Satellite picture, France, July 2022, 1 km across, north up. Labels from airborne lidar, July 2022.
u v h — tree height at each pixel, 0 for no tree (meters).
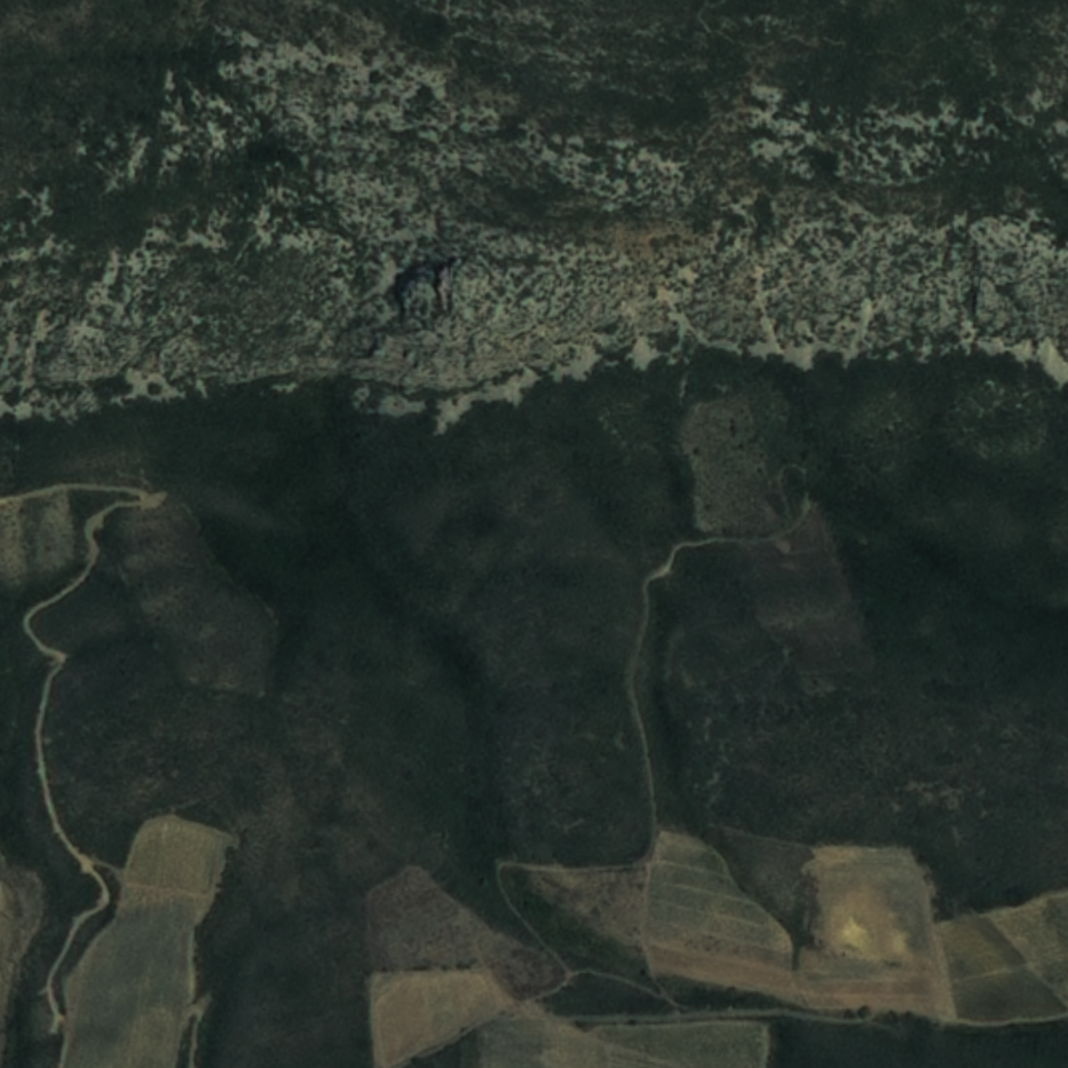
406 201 0
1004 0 0
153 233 0
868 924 0
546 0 0
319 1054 0
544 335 0
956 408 6
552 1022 0
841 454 7
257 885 0
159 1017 0
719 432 0
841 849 0
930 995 0
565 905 0
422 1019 0
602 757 0
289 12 0
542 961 0
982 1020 0
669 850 0
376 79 6
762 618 0
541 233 0
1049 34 0
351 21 0
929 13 0
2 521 0
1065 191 7
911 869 0
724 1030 0
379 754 5
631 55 0
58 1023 0
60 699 0
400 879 0
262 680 0
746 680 0
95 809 0
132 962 0
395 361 0
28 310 6
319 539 6
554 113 0
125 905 0
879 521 7
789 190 0
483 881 8
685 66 0
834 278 0
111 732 0
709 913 0
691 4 0
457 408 0
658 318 0
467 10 0
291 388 0
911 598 10
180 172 6
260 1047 0
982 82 0
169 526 0
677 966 0
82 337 0
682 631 0
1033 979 0
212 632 0
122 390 7
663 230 0
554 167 0
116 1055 0
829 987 0
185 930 0
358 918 0
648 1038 0
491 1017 0
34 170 0
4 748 7
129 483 0
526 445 0
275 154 8
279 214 8
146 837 0
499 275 0
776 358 5
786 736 0
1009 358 8
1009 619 6
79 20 0
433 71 0
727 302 0
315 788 0
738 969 0
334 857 0
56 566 0
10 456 6
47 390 6
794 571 0
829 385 0
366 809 0
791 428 5
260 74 6
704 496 0
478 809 7
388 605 7
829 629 0
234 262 9
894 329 0
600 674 6
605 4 0
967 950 0
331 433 7
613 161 0
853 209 0
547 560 0
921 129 0
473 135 0
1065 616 7
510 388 0
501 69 0
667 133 0
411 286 8
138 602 0
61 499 0
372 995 0
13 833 6
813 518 0
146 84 6
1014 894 6
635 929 0
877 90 0
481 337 0
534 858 6
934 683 6
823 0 0
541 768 0
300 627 6
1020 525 0
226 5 0
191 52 7
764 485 0
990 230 0
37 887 0
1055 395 6
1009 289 7
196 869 0
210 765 0
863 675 0
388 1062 0
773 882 0
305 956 0
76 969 0
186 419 6
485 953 0
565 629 0
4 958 0
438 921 0
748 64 0
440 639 7
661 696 7
